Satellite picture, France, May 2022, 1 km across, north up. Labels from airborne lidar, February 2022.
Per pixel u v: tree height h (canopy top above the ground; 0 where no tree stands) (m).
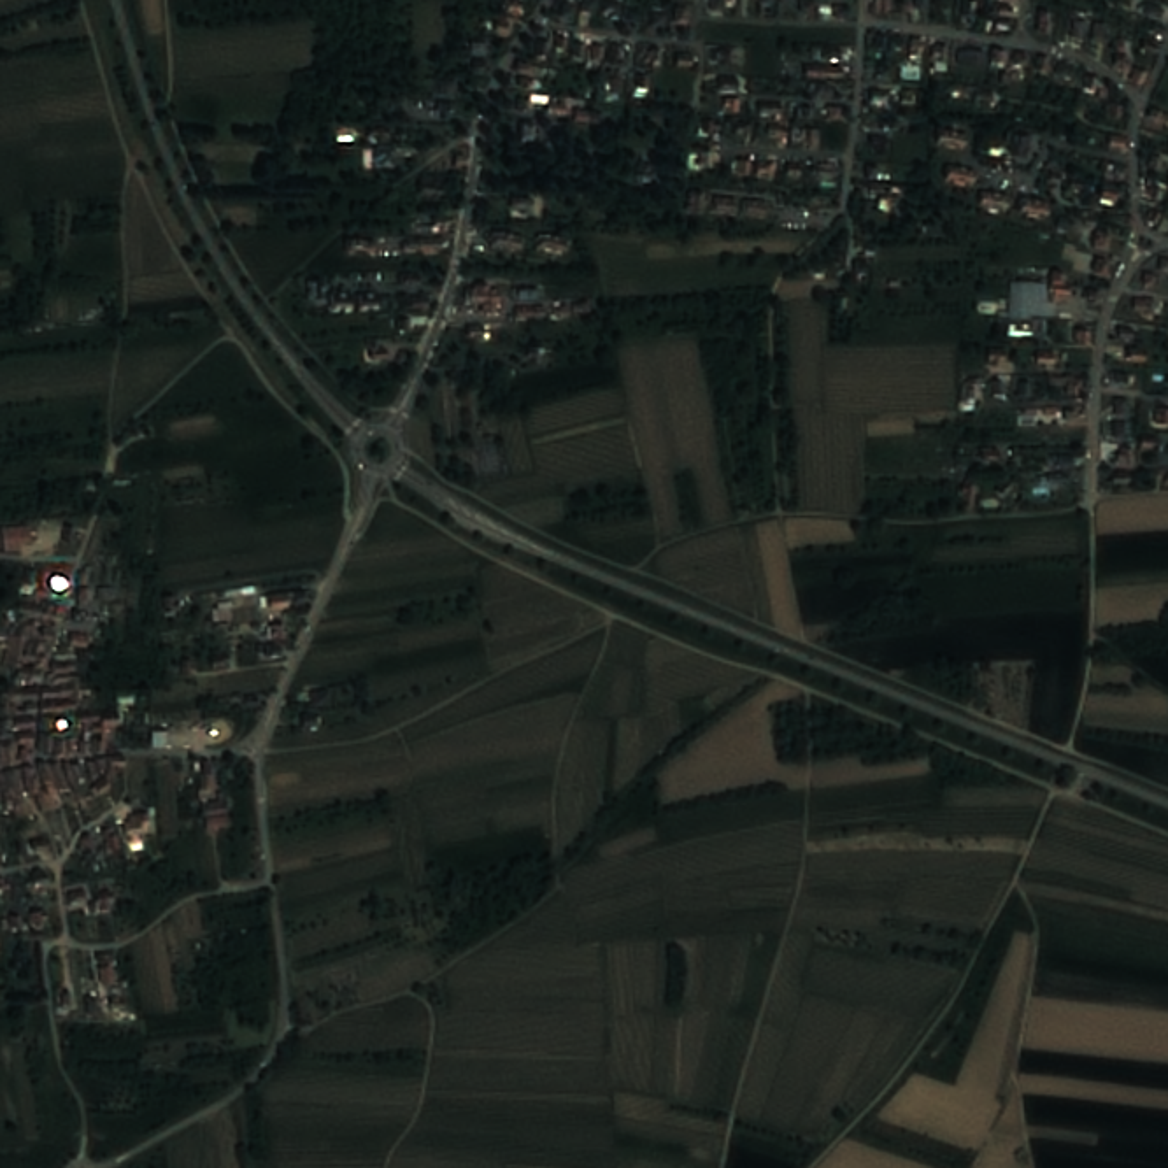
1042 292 0
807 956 0
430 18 0
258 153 0
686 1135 0
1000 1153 0
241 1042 0
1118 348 0
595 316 14
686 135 11
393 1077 0
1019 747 0
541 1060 0
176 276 0
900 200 6
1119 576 0
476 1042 0
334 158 13
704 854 0
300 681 0
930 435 0
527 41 11
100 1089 0
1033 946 0
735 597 0
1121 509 0
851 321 8
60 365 0
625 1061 0
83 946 0
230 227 10
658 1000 0
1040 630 0
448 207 6
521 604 0
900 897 0
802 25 0
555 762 0
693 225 12
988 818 0
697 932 0
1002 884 0
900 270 0
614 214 10
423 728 0
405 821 0
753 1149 0
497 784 0
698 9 0
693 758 0
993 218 0
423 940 0
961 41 0
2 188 0
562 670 0
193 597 0
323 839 0
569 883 0
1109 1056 0
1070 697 0
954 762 7
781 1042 0
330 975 0
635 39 0
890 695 0
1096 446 0
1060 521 0
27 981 12
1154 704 0
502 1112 0
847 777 0
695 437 0
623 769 0
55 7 6
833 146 0
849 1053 0
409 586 0
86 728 0
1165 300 0
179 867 0
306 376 0
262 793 0
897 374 0
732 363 6
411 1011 0
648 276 0
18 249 0
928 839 0
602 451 0
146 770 0
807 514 0
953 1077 0
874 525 10
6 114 0
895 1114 0
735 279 0
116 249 0
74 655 0
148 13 0
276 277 0
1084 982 0
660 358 0
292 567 0
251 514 0
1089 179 9
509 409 9
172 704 0
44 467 0
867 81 0
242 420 0
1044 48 0
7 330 8
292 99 8
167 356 0
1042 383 9
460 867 0
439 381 8
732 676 0
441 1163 0
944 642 0
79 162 0
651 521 0
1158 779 0
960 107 0
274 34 0
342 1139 0
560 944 0
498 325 0
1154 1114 0
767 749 0
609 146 14
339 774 0
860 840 0
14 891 0
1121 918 0
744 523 0
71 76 0
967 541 7
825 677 0
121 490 0
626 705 0
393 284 0
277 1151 0
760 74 0
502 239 0
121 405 0
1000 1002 0
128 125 0
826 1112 0
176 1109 0
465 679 0
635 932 0
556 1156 0
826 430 0
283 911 0
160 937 0
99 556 0
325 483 0
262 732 0
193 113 0
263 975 0
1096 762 0
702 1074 0
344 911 0
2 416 0
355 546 0
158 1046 0
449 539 0
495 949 0
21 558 0
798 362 0
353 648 0
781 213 0
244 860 0
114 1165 0
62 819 0
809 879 0
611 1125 0
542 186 26
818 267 9
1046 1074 0
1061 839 0
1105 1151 0
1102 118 5
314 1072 0
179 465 0
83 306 0
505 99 17
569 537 0
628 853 0
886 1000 0
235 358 0
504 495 0
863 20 0
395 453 0
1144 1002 0
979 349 7
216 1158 0
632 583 0
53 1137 0
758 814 0
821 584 0
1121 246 0
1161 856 0
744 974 0
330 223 10
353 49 10
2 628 0
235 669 0
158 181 0
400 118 13
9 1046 0
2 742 0
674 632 0
